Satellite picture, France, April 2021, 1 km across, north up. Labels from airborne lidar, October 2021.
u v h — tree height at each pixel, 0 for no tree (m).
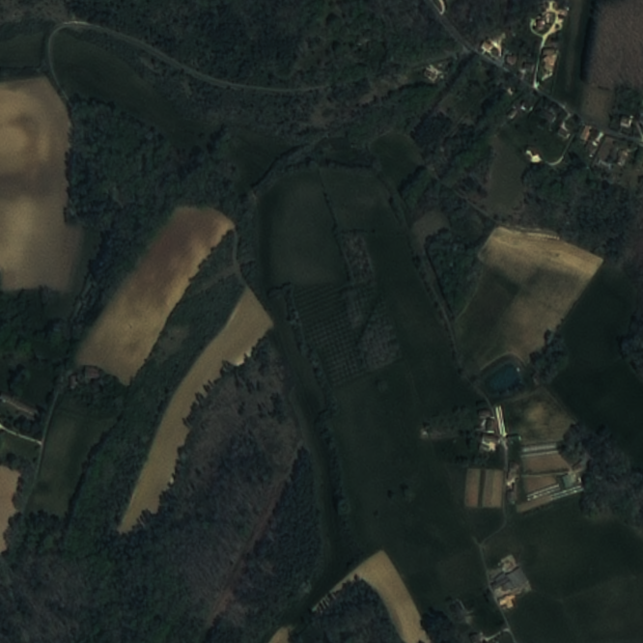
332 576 0
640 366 12
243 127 5
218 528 20
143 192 25
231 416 0
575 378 0
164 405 12
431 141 18
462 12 16
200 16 10
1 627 23
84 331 15
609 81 19
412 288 0
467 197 18
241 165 0
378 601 17
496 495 0
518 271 0
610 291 0
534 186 19
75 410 0
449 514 0
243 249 12
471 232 0
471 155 18
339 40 14
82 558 24
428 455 0
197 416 14
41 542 6
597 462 26
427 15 19
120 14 7
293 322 13
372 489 0
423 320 0
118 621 23
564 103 0
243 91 7
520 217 10
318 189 0
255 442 8
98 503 20
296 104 13
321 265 0
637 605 0
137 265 21
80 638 20
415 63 18
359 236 11
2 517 0
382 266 0
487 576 0
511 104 14
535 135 9
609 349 0
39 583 27
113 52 10
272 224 0
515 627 0
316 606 0
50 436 0
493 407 0
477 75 17
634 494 22
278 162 8
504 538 0
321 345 8
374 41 21
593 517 21
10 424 8
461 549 0
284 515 22
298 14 20
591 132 9
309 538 25
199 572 20
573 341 0
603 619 0
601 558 0
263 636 23
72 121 16
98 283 22
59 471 0
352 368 8
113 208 25
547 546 0
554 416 0
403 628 0
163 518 15
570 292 0
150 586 26
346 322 9
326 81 16
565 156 0
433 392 0
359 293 9
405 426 0
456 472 0
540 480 0
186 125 0
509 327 0
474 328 0
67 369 9
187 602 25
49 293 13
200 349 6
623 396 0
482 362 0
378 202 0
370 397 0
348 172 12
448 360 0
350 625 22
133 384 9
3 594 13
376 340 12
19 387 18
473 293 14
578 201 26
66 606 25
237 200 9
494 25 16
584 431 17
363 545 0
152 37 7
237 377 6
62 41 0
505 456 17
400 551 0
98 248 7
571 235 22
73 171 22
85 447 0
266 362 10
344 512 19
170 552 20
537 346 0
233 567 13
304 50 17
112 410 6
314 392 0
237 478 16
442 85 16
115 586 14
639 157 10
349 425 0
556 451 0
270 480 20
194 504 13
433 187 11
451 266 20
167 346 0
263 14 20
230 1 21
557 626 0
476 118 12
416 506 0
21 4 6
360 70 19
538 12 9
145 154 21
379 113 17
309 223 0
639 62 19
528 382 0
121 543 23
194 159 6
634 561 0
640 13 21
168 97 10
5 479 0
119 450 22
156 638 26
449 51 18
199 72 8
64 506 0
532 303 0
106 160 28
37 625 25
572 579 0
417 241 0
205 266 10
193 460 0
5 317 14
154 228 24
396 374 0
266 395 0
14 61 0
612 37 18
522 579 0
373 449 0
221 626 19
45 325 0
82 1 11
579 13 0
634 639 0
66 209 7
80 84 0
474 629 0
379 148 0
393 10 18
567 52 0
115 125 20
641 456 0
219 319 7
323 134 14
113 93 0
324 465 0
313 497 23
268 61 11
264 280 0
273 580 16
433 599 0
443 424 8
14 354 17
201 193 20
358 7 16
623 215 22
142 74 14
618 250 22
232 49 7
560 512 0
